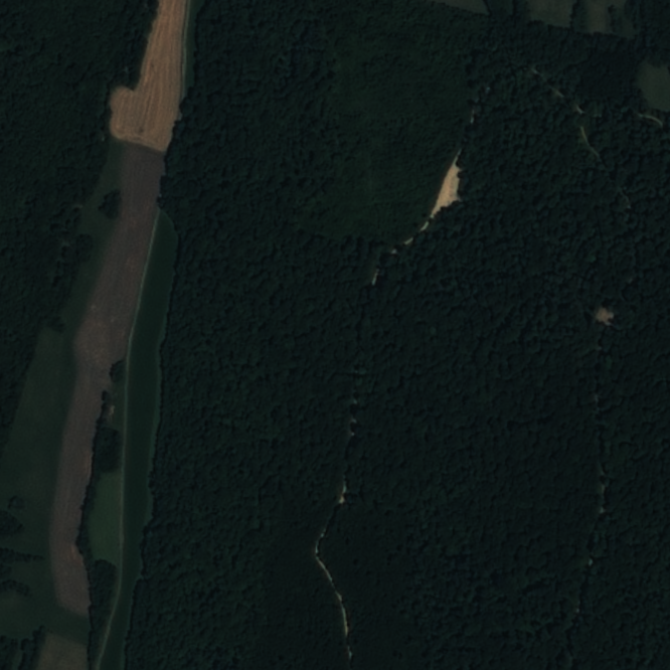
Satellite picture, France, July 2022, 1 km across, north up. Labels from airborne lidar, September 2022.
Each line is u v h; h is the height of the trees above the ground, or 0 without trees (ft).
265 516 47
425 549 93
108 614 41
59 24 61
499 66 64
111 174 0
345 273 76
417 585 71
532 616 57
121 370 25
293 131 50
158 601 49
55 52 70
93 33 49
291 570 43
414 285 80
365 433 73
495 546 87
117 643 0
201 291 60
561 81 51
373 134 29
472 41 37
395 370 81
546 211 89
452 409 79
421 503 85
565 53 54
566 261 73
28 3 64
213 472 66
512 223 48
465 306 68
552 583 52
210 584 61
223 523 55
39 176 52
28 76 61
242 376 69
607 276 69
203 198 77
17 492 0
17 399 43
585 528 94
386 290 100
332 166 74
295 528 58
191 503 53
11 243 69
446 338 82
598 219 71
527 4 35
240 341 53
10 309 64
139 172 0
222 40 55
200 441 59
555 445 91
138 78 59
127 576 0
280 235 71
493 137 65
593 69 49
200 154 79
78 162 59
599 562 94
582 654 83
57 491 0
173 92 0
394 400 86
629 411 84
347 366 79
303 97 61
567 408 93
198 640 61
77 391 0
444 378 78
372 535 40
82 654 0
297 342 69
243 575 62
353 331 75
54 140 61
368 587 51
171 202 77
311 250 75
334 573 34
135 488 0
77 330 0
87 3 55
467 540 72
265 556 33
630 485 62
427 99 28
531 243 85
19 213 64
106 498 0
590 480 79
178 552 52
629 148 37
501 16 62
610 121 78
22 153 61
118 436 60
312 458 73
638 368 87
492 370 86
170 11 0
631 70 53
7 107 46
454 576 83
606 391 85
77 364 0
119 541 0
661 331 100
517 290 63
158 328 0
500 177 70
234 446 64
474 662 81
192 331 57
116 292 0
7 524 40
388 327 97
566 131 61
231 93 70
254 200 49
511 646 79
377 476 96
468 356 87
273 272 75
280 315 66
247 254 66
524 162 80
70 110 53
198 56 52
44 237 92
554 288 77
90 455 0
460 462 70
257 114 56
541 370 94
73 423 0
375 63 37
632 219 38
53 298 67
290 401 69
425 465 76
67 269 58
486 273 76
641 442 84
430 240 68
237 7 44
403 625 35
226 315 53
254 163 55
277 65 47
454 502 62
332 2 29
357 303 64
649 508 70
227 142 53
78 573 0
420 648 30
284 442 52
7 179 68
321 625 32
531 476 93
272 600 35
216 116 69
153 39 0
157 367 0
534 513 86
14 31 79
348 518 41
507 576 99
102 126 53
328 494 73
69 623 0
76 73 84
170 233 0
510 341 80
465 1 0
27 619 0
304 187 72
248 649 53
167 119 0
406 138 36
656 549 46
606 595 79
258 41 56
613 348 90
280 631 35
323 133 53
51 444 0
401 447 78
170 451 56
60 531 0
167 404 39
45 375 0
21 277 66
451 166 0
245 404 52
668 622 55
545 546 89
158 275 0
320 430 79
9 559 55
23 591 44
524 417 85
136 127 0
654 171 79
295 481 74
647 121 39
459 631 55
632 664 82
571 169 68
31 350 43
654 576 73
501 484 85
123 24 68
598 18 0
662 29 49
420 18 25
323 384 74
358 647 38
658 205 81
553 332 78
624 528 66
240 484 58
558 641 74
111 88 72
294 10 65
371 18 24
